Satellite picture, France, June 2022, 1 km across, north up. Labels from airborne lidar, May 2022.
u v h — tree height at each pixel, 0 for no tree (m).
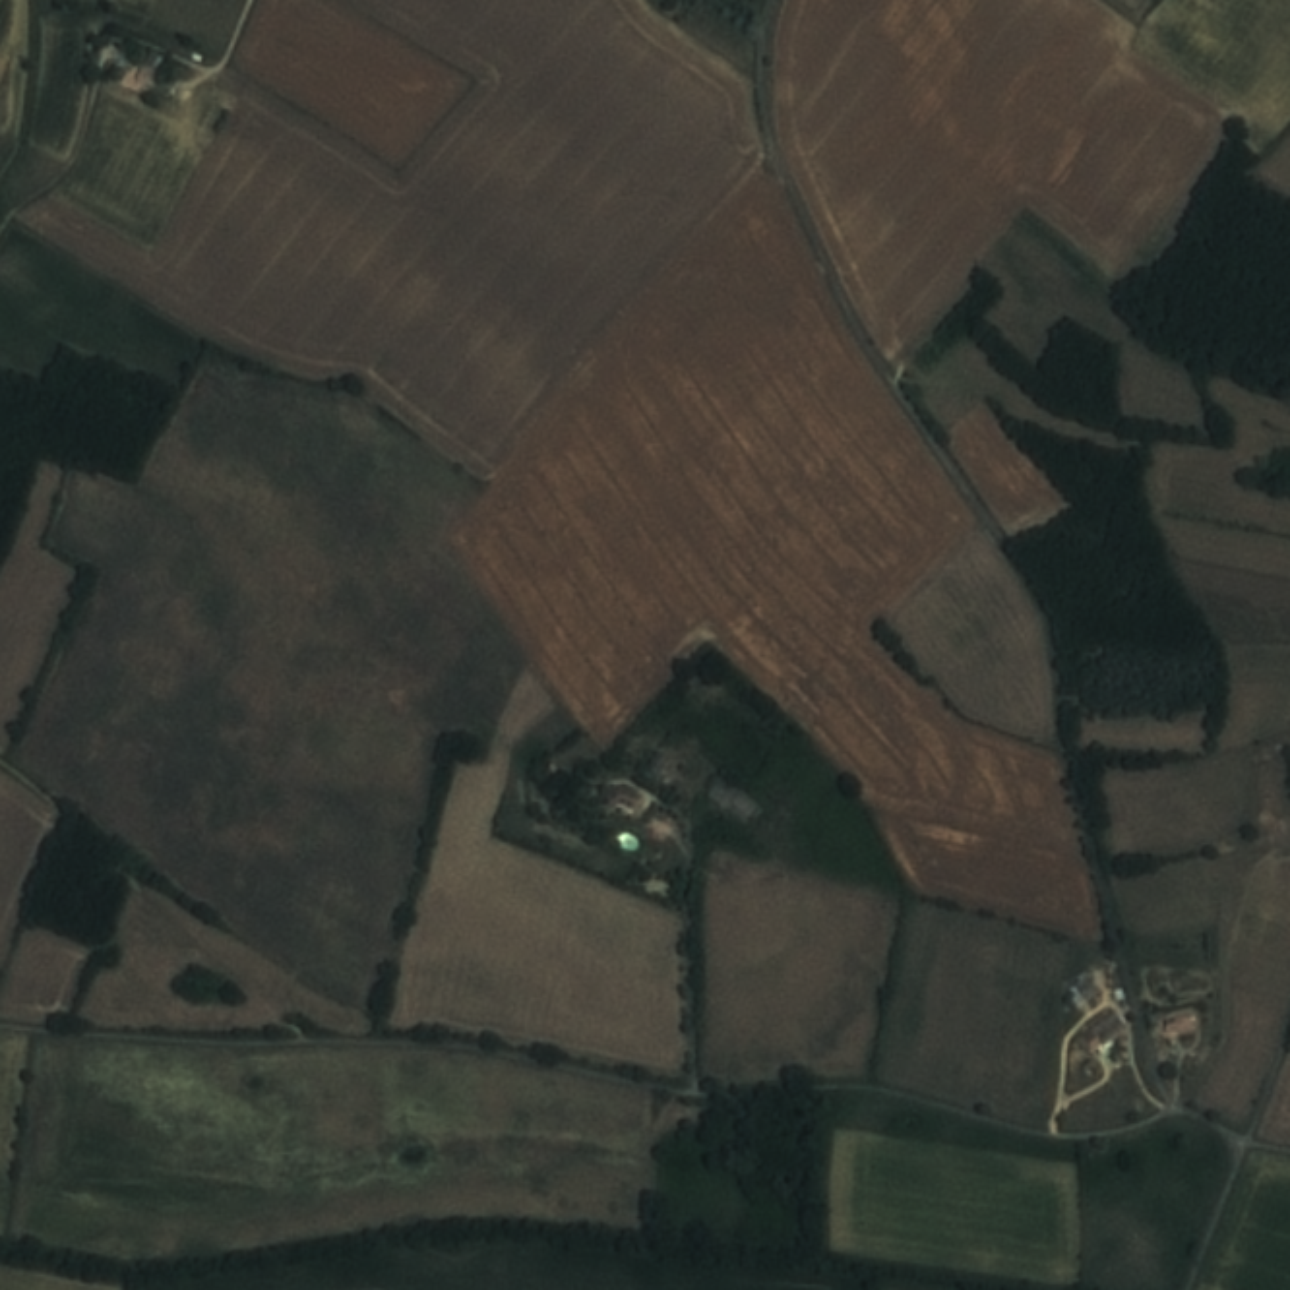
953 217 0
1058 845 0
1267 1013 0
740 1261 12
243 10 0
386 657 0
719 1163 15
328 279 0
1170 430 15
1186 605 17
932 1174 0
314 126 0
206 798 0
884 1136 0
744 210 0
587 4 0
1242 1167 0
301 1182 0
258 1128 0
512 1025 0
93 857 20
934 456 0
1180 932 0
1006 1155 0
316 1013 0
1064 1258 0
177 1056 0
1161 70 0
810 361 0
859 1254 0
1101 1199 0
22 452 10
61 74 0
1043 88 0
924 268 0
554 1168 0
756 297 0
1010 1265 0
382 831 0
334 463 0
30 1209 0
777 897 0
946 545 0
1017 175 0
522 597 0
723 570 0
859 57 0
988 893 0
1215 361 21
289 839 0
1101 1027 0
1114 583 11
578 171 0
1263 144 0
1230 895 0
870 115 0
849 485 0
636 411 0
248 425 0
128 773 0
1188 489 0
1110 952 14
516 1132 0
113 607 0
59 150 0
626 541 0
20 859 0
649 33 0
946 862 0
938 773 0
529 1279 0
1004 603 0
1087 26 0
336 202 0
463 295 0
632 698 0
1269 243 19
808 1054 0
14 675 0
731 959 0
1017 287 0
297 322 0
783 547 0
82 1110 0
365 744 0
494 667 0
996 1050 0
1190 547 0
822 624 0
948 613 0
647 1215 20
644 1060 0
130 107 0
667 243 0
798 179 0
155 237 0
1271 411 0
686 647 0
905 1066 0
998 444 0
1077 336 15
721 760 0
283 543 0
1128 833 0
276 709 0
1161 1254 0
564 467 0
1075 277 0
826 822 0
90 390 13
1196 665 14
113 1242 0
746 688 7
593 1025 0
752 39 7
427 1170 0
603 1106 0
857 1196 0
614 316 0
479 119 0
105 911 16
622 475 0
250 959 0
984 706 0
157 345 0
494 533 0
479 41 0
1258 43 0
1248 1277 0
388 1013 14
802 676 0
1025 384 17
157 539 0
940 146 0
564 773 8
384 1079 0
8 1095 0
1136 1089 0
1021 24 0
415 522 0
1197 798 0
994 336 18
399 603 0
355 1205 0
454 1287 0
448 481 0
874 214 0
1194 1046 0
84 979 8
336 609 0
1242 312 17
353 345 0
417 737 0
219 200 0
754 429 0
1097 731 0
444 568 0
